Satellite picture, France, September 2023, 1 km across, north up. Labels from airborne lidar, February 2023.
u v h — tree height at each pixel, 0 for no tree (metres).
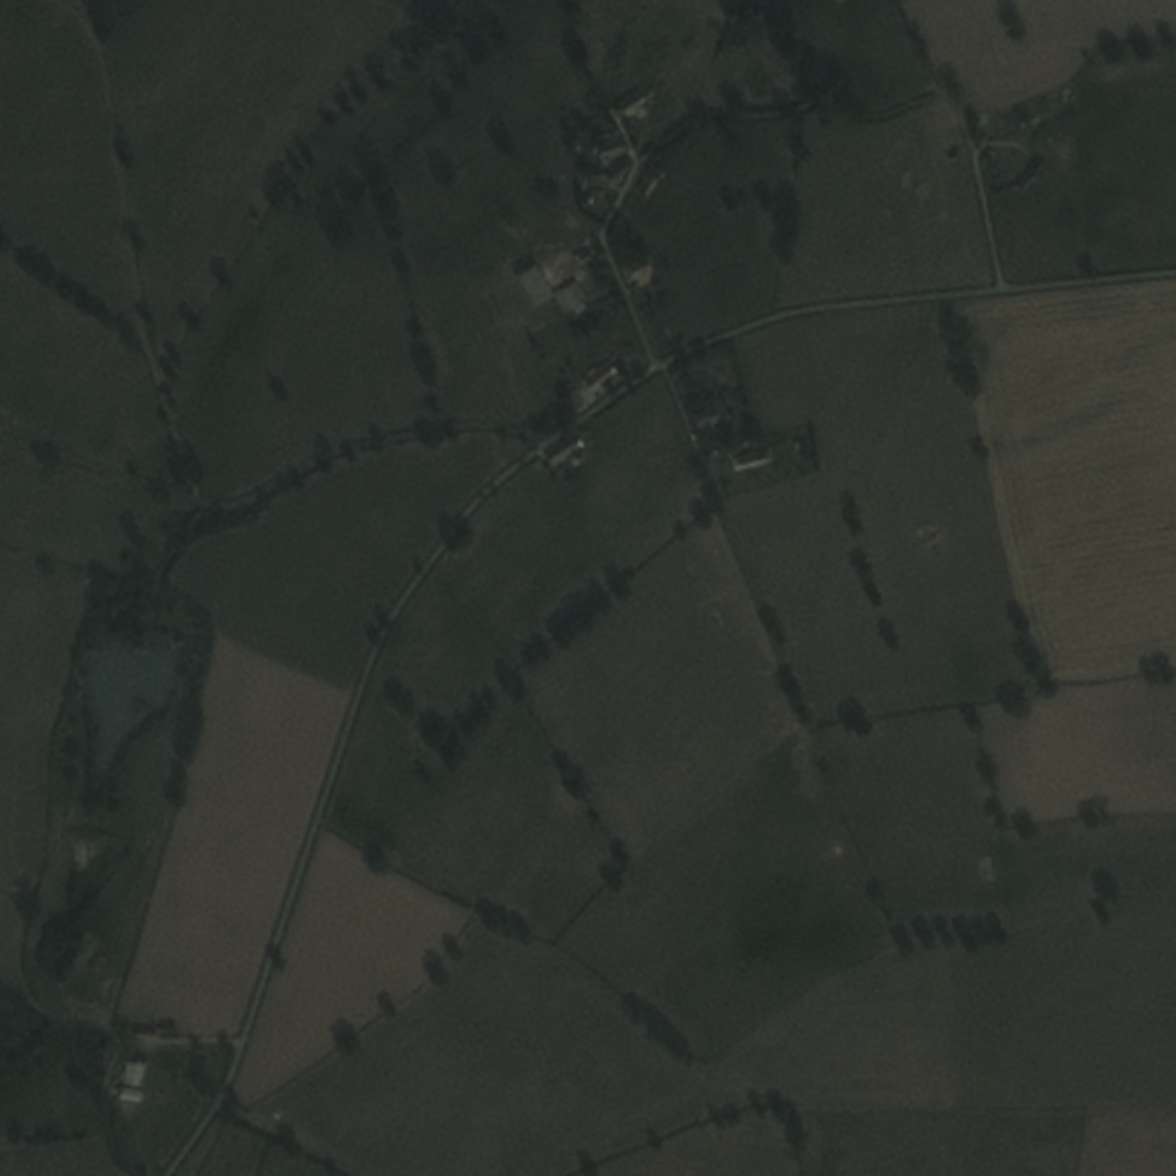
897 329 0
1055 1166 0
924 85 0
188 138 0
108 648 0
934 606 0
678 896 0
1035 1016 0
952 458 0
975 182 0
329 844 0
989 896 0
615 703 0
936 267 0
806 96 10
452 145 0
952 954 0
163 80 0
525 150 0
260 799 0
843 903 0
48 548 0
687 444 0
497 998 0
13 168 0
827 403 0
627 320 0
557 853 0
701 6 0
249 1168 0
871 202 0
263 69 0
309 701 0
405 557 0
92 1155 0
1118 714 0
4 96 0
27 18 0
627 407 0
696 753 0
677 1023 0
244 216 0
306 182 0
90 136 0
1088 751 0
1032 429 0
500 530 0
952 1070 0
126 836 0
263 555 0
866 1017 0
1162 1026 0
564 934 0
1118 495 0
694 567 0
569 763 11
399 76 0
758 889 0
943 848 0
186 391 0
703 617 0
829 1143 0
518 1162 0
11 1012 22
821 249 0
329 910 0
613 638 0
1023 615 16
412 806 0
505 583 0
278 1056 0
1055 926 0
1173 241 0
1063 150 0
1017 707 17
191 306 0
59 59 0
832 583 0
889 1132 0
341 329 0
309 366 0
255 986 0
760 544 0
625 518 0
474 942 0
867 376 0
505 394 0
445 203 0
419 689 0
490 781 0
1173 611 0
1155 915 0
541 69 0
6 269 0
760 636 0
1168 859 0
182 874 0
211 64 0
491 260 0
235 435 0
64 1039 0
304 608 0
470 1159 0
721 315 0
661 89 0
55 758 0
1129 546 0
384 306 0
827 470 0
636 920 0
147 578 16
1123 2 0
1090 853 0
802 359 0
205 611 8
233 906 0
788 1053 0
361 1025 0
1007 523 0
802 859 0
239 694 0
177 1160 0
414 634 0
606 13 0
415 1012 0
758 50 0
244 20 0
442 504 0
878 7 0
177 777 15
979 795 0
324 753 0
